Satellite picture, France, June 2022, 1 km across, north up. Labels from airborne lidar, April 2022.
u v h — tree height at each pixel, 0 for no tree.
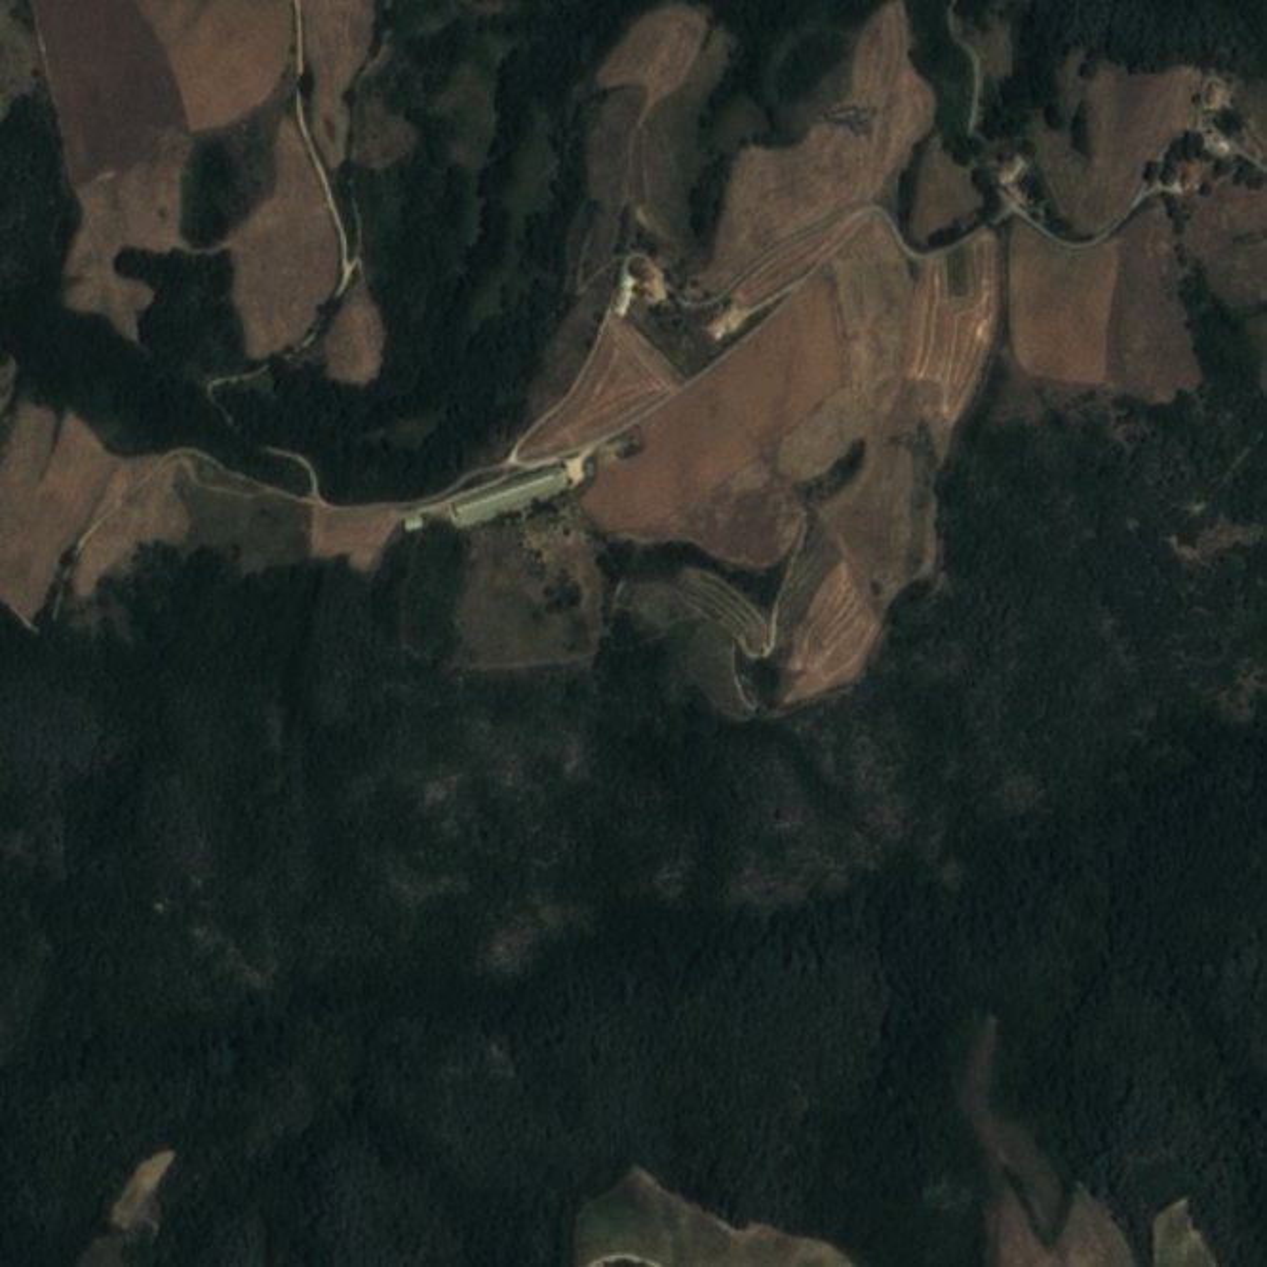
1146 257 0
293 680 8
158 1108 14
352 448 17
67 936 10
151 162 0
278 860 8
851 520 0
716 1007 12
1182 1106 8
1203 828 15
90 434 0
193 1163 11
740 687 0
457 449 8
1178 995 18
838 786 6
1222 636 6
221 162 8
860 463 7
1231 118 9
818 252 0
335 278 0
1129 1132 15
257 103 0
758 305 0
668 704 7
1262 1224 11
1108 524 7
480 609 0
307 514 0
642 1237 0
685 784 13
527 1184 11
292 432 14
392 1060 11
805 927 14
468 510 0
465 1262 8
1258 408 15
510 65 20
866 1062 14
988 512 8
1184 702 7
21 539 0
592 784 9
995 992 10
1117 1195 16
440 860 7
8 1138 13
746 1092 14
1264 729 18
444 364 13
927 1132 5
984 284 0
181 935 7
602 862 7
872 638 0
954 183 0
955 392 0
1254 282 0
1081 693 10
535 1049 13
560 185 10
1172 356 0
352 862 9
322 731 6
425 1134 7
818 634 0
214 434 9
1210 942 13
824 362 0
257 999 15
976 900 10
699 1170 15
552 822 8
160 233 0
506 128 20
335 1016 16
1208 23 13
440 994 10
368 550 0
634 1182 0
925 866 7
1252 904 10
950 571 6
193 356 7
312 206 0
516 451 0
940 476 11
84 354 7
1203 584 6
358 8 0
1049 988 9
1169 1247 0
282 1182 13
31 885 9
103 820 18
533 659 0
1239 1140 16
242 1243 8
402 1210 14
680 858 9
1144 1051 7
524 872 9
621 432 0
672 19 0
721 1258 0
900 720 6
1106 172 0
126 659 11
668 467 0
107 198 0
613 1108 8
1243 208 0
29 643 9
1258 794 12
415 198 11
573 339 0
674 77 0
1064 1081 24
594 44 11
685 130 0
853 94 0
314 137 0
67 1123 17
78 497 0
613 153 0
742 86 8
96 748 10
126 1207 0
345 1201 15
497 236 21
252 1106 12
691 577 0
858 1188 7
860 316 0
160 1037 15
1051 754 9
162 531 0
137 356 11
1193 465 6
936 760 10
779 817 12
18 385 7
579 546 0
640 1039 13
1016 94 17
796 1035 10
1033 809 6
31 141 8
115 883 6
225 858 10
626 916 13
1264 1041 7
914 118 0
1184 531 7
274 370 10
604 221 0
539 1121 11
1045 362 0
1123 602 9
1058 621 7
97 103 0
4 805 9
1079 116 5
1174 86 0
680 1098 13
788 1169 11
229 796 11
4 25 0
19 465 0
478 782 7
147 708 12
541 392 0
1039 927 10
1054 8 11
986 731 11
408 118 8
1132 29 14
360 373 0
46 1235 10
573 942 7
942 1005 11
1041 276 0
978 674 6
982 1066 0
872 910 9
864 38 0
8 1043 7
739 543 0
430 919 11
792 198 0
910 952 9
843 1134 10
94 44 0
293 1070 9
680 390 0
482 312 0
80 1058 13
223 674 10
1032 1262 0
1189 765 11
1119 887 12
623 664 8
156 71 0
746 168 0
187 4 0
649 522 0
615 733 7
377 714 8
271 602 11
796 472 0
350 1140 13
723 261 0
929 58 7
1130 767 13
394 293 10
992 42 0
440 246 8
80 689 10
